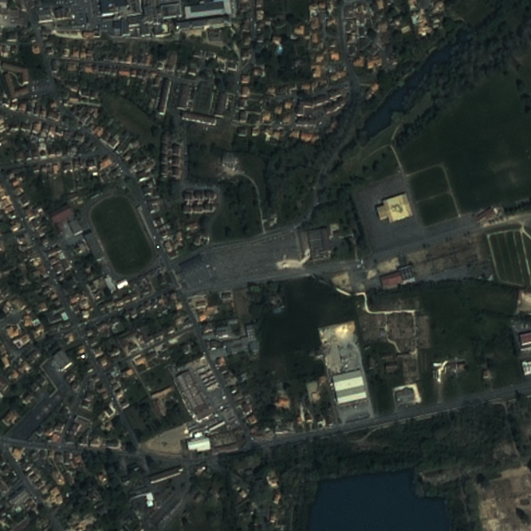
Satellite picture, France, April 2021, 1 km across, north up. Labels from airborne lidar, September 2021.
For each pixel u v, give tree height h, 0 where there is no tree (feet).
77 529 0
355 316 0
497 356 0
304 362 0
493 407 28
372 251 0
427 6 0
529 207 44
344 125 73
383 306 0
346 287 0
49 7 54
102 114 39
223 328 0
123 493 31
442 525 0
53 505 24
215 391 0
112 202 0
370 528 0
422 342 0
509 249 0
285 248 0
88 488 40
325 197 58
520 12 73
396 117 70
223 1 0
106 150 0
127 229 0
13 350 0
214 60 31
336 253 27
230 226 0
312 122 0
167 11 0
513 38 46
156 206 23
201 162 0
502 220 25
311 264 0
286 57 26
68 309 0
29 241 0
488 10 0
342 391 0
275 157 41
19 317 0
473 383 0
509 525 0
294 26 39
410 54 64
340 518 0
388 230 0
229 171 0
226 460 62
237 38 39
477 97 0
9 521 22
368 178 0
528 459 49
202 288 0
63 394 0
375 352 29
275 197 91
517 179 0
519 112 0
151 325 18
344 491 0
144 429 0
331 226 0
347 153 56
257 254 0
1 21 0
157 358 22
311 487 70
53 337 19
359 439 0
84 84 56
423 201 0
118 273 0
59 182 0
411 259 0
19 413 18
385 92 41
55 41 39
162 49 50
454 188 0
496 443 32
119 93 38
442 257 0
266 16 24
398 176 0
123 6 0
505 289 26
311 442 46
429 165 0
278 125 0
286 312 0
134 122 0
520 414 51
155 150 58
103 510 0
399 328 0
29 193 0
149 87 25
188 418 0
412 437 18
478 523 70
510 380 0
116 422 45
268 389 24
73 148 0
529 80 0
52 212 40
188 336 0
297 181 0
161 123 23
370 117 0
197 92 39
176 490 27
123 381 23
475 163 0
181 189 75
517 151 0
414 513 0
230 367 18
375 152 0
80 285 0
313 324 0
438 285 31
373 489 0
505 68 72
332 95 0
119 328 20
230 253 0
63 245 0
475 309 20
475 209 0
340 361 0
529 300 0
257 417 19
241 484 35
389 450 23
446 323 0
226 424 0
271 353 0
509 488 0
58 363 0
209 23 0
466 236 21
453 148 0
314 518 0
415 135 43
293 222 0
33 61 0
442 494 27
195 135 53
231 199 28
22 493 0
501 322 0
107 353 29
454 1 42
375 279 0
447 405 0
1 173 24
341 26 0
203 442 0
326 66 0
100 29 0
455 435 28
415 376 0
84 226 0
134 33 0
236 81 49
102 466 51
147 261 0
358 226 39
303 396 24
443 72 44
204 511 0
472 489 84
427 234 0
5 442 0
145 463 0
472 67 50
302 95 37
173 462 0
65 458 0
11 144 22
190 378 0
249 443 0
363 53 31
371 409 0
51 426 24
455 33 41
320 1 19
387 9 27
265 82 37
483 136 0
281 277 0
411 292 52
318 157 53
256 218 0
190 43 43
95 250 0
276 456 50
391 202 0
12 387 21
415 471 45
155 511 33
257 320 40
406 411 0
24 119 0
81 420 0
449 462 41
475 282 25
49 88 0
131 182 45
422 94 51
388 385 0
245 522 0
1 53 22
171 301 30
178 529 0
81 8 0
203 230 52
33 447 0
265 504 66
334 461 61
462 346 0
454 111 25
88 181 26
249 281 0
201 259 0
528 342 0
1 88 26
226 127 0
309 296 0
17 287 27
